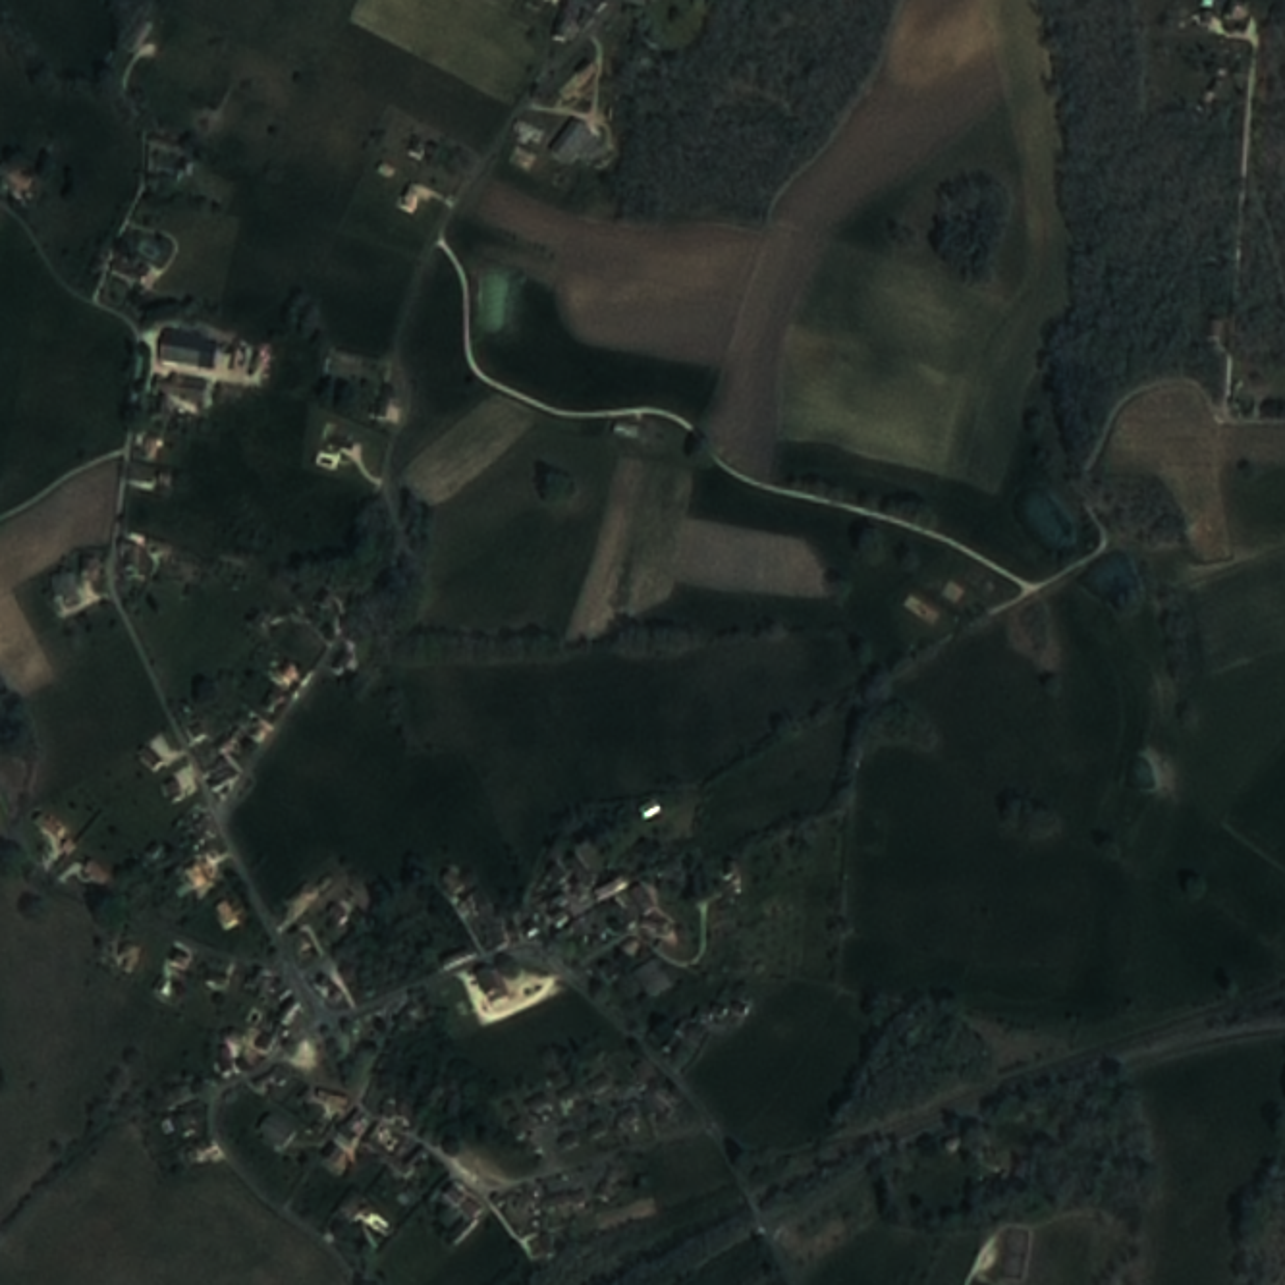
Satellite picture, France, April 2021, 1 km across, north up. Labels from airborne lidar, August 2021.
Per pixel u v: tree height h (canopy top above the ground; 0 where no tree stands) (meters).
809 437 0
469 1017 0
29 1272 0
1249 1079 0
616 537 0
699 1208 8
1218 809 0
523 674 0
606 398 0
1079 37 12
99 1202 0
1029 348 0
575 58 0
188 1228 0
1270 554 0
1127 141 11
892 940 0
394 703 8
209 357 0
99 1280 0
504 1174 0
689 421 0
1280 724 0
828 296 0
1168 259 10
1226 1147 0
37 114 0
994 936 0
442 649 22
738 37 15
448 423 0
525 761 0
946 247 18
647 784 0
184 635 0
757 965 6
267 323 0
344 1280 0
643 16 7
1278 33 13
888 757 0
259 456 0
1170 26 12
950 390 0
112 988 0
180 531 0
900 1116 20
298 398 0
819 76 20
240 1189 0
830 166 0
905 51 0
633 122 11
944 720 0
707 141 13
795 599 0
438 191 0
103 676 0
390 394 10
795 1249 0
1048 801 0
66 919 0
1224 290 13
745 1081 0
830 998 0
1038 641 0
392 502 0
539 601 0
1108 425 12
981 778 0
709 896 16
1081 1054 0
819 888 0
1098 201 15
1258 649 0
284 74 0
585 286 0
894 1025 16
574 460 0
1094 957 0
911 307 0
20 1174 0
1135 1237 13
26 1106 0
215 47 7
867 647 11
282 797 0
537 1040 0
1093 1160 12
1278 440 0
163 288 0
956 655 0
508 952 0
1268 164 12
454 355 0
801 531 0
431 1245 0
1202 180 14
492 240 0
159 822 0
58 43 0
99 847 0
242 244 0
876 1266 0
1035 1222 20
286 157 0
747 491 0
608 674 0
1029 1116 18
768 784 0
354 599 7
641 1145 0
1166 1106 0
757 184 18
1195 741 0
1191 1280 0
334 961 6
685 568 0
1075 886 0
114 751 0
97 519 0
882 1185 14
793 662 0
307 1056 0
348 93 0
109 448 0
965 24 0
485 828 0
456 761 0
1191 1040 0
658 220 18
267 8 0
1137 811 0
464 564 0
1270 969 0
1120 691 0
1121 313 17
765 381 0
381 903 14
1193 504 0
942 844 0
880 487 0
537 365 0
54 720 0
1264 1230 21
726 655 0
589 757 0
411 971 7
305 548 0
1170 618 11
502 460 0
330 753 0
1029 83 0
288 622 13
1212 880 0
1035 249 0
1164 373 14
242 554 6
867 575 0
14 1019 0
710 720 0
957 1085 16
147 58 0
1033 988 0
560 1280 14
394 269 0
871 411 0
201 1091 17
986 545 0
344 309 0
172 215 7
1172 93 0
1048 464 7
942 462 0
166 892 6
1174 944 0
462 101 0
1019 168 0
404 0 0
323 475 0
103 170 0
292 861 0
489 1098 9
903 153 0
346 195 0
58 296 0
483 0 0
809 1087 0
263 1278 0
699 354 0
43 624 0
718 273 0
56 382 0
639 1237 25
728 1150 0
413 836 0
